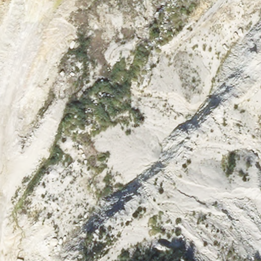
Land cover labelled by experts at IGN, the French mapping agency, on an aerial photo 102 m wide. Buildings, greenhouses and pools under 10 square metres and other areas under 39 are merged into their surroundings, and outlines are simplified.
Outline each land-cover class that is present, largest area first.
<instances>
[{"label":"pervious surface","instance_id":"1","mask_svg":"<svg viewBox=\"0 0 261 261\"><path fill-rule=\"evenodd\" d=\"M88 34L91 38L87 55L88 58L94 57L97 65H102L100 72L111 71L113 65L123 57L125 68L129 69L134 62V55L130 54V50L136 47L150 53L146 65L141 66L137 72L138 79L130 86L132 106L140 109L145 118L144 122L138 127L134 126L135 121H129L128 125L118 123L110 126L92 137L94 148L71 140L74 133H90L92 125H87L83 129L75 127L70 130L68 136L62 134L66 142H59L58 145L64 152L62 158L58 164L49 166L50 173L41 177L34 192L31 193L27 188L43 158H49V150L53 144L61 120L68 101L74 93L72 84L83 74V64L75 59V55L68 54L67 50L79 47V43H75L77 36ZM107 173L112 174V185L123 184L124 187L122 190L113 189L114 193L106 195L104 200H101L97 198L96 190L104 189V177ZM159 239L168 242L173 239L186 241V247L194 252L196 261H261V0H0V261H117L123 249L127 250L132 258L134 253L145 255L148 248L168 251L169 248L158 243Z\"/></svg>","mask_w":261,"mask_h":261},{"label":"brushwood","instance_id":"2","mask_svg":"<svg viewBox=\"0 0 261 261\"><path fill-rule=\"evenodd\" d=\"M75 43H79V47L67 50L68 54L75 55V59L83 64V74L72 84L74 93L79 94L83 86L90 82L88 65H97L94 57L88 58L87 55L91 38L88 34L77 36ZM130 54L134 55V62L129 69L125 68L123 57L113 65L111 71L100 72L99 79L85 90L79 100L68 101L61 120L64 122L67 118L79 117L83 121L90 116H96L99 121L107 122L110 126L118 123L128 125L129 121H135L134 126L138 127L144 122L145 118L140 109L132 106L130 86L138 79L137 72L141 66L146 65L150 53L136 47L130 50ZM49 158H43L27 188L31 193L34 192L41 177L50 173L49 166L58 164L62 158L64 152L58 145L53 144L49 150ZM158 243L169 248L168 251L148 248L145 255L134 253L132 258L127 250L123 249L117 261H196L194 252L186 247V241L173 239L168 242L159 239Z\"/></svg>","mask_w":261,"mask_h":261},{"label":"herbaceous vegetation","instance_id":"3","mask_svg":"<svg viewBox=\"0 0 261 261\"><path fill-rule=\"evenodd\" d=\"M87 125H92L90 133H74L71 140L94 148L92 137L110 126L107 122L99 121L96 116H90L83 121L79 117L67 118L64 122L61 120L53 144L58 145L59 142H66L62 134L68 136L70 130L75 127L83 129ZM112 174L107 173L104 177V189L96 190L97 198L101 200H104L106 195L114 193L113 189L122 190L124 187L123 184L112 185Z\"/></svg>","mask_w":261,"mask_h":261},{"label":"bare soil","instance_id":"4","mask_svg":"<svg viewBox=\"0 0 261 261\"><path fill-rule=\"evenodd\" d=\"M90 82L83 86L79 94L74 93L68 101L79 100L85 90L99 79L100 72L102 65H88Z\"/></svg>","mask_w":261,"mask_h":261}]
</instances>
